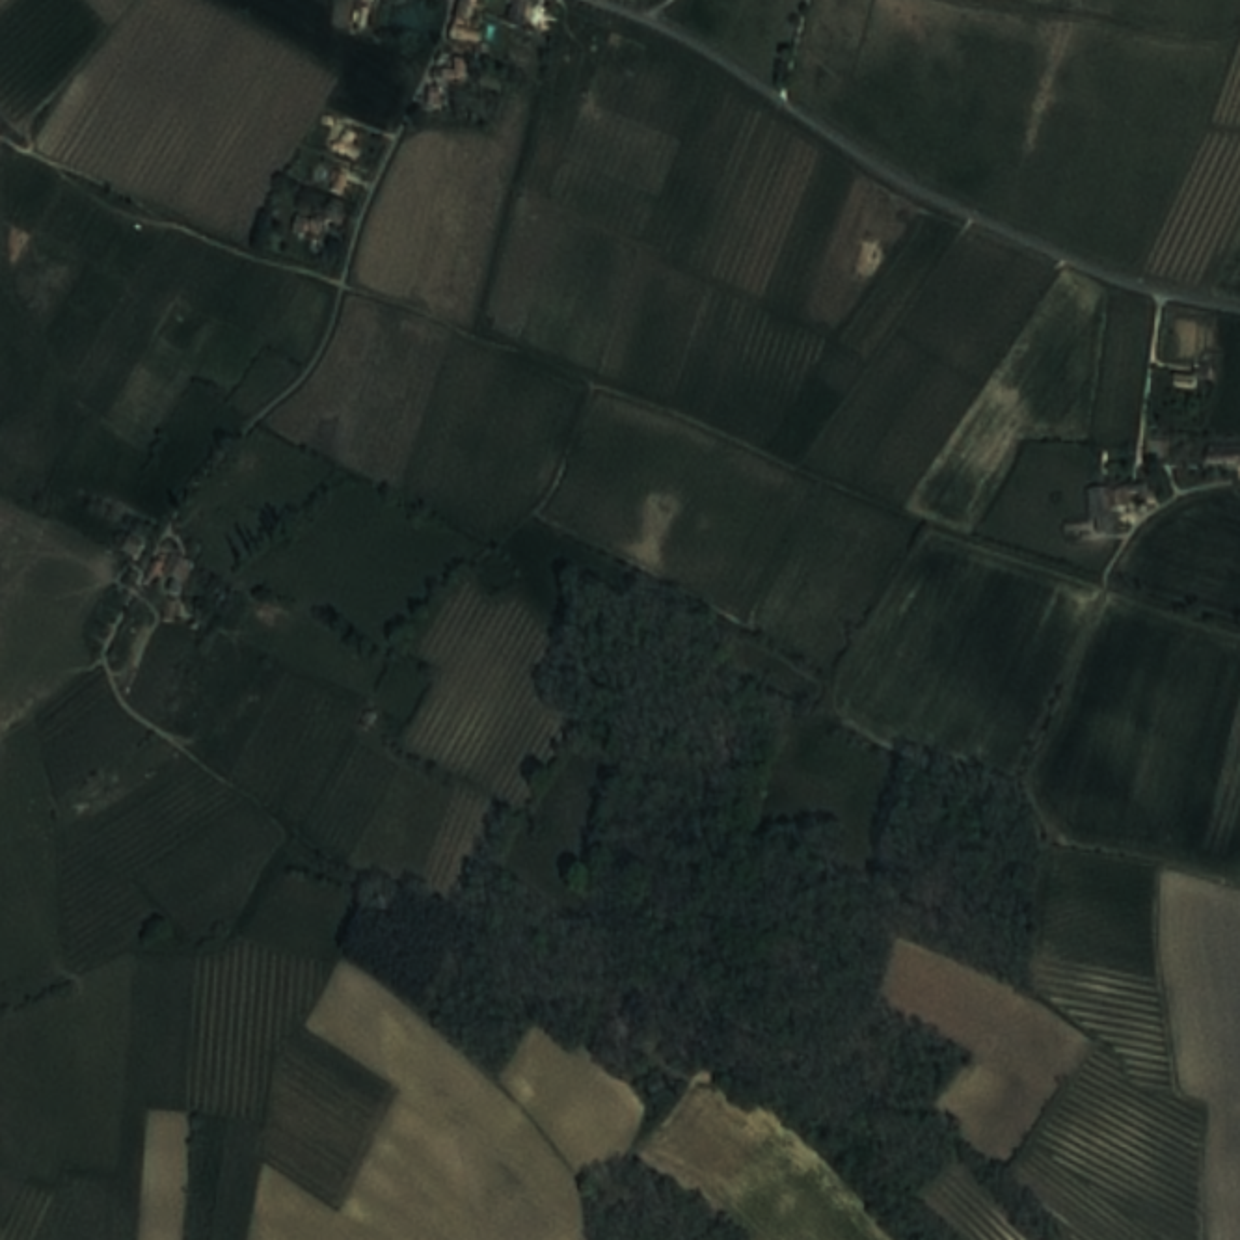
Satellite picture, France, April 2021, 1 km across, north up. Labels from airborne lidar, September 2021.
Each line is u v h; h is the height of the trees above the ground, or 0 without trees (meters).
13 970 0
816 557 0
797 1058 19
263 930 0
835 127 0
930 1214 13
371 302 0
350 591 0
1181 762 0
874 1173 13
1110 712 0
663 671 21
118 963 0
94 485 0
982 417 0
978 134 0
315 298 0
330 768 0
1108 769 0
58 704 0
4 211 0
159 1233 0
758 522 0
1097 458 0
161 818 0
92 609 0
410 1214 0
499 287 0
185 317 0
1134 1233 0
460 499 0
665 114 0
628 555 0
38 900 0
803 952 19
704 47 0
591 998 19
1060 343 0
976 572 0
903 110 0
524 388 0
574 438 0
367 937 17
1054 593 0
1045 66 0
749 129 0
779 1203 0
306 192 7
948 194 0
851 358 0
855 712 0
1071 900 0
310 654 0
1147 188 0
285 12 0
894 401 0
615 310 0
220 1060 0
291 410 0
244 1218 0
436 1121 0
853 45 0
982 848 12
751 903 23
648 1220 16
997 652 0
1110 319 0
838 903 23
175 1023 0
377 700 0
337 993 0
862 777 0
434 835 0
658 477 0
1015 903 17
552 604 0
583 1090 0
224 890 0
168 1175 0
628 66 0
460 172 0
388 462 0
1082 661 0
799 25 11
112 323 0
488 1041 21
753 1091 19
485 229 0
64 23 0
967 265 0
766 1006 20
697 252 0
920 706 0
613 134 0
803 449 0
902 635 0
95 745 0
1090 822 0
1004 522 0
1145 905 0
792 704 12
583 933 22
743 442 0
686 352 0
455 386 0
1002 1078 0
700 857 29
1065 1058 0
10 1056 0
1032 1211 17
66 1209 0
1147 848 0
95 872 0
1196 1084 0
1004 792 18
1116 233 0
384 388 0
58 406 0
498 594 6
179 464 0
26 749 0
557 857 0
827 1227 0
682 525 0
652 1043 18
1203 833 0
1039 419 0
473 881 16
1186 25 0
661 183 0
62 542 0
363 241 0
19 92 0
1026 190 0
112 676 0
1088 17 0
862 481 0
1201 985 0
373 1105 0
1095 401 0
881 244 0
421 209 0
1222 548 0
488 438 0
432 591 14
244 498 0
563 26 0
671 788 18
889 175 0
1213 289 0
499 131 0
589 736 22
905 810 22
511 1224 0
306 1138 0
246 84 0
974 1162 14
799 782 0
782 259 0
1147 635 0
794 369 0
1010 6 0
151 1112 0
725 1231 14
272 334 0
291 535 31
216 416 0
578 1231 0
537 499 0
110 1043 0
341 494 0
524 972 21
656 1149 0
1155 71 0
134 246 0
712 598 0
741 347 0
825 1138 9
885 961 18
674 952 23
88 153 0
